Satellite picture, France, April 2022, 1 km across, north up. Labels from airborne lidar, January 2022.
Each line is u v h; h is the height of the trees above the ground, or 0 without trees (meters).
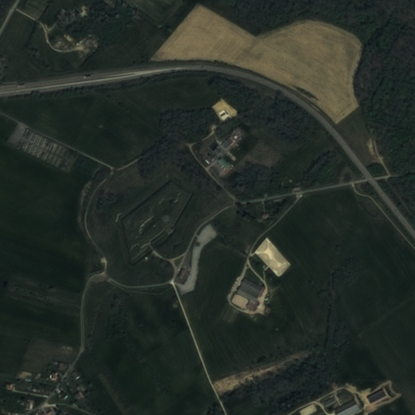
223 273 0
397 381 0
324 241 0
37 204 0
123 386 0
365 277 0
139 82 0
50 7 8
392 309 0
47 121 0
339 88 0
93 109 0
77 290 0
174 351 0
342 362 0
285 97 20
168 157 28
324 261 0
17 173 0
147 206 0
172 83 0
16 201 0
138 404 0
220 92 22
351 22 24
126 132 0
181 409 0
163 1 0
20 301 0
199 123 16
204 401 0
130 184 0
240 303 0
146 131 0
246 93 23
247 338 0
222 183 0
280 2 21
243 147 0
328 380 16
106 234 0
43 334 0
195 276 0
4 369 0
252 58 0
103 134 0
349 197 0
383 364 0
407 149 22
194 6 0
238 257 0
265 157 0
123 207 0
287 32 0
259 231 0
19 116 0
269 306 0
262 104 22
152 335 0
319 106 0
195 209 0
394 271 0
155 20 0
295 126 24
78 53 0
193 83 0
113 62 0
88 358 0
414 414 0
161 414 0
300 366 19
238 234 0
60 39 0
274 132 24
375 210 0
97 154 0
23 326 0
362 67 22
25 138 0
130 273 0
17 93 0
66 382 6
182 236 0
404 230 9
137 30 0
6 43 0
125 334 8
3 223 0
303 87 0
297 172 0
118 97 0
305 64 0
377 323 0
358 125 0
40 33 0
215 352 0
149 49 0
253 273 0
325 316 0
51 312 0
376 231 0
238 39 0
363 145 0
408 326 0
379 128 10
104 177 14
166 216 0
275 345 0
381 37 16
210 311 0
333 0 21
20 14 0
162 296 0
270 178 8
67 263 0
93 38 0
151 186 0
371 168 8
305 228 0
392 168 0
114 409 0
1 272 0
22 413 0
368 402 0
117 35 7
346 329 12
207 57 0
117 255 0
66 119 0
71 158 0
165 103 0
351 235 0
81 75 0
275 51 0
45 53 0
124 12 6
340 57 0
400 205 8
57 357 0
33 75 0
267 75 0
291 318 0
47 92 0
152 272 0
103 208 20
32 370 0
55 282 0
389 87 27
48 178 0
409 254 0
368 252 0
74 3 0
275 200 0
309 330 0
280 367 27
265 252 0
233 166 0
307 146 0
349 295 0
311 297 0
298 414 0
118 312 17
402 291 0
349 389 0
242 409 0
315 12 22
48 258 0
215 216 0
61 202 0
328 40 0
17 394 0
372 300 0
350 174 0
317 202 0
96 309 0
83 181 0
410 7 24
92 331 0
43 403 0
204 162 0
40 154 0
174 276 0
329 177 10
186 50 0
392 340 0
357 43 0
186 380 0
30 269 0
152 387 0
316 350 14
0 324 0
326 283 0
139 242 0
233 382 0
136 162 0
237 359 0
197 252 0
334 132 0
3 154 0
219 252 0
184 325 0
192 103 0
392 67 27
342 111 0
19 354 0
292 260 0
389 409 0
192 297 0
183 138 24
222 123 0
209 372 0
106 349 0
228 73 0
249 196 7
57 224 0
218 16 0
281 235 0
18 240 0
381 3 24
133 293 0
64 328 0
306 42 0
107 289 0
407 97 26
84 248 0
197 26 0
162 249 0
